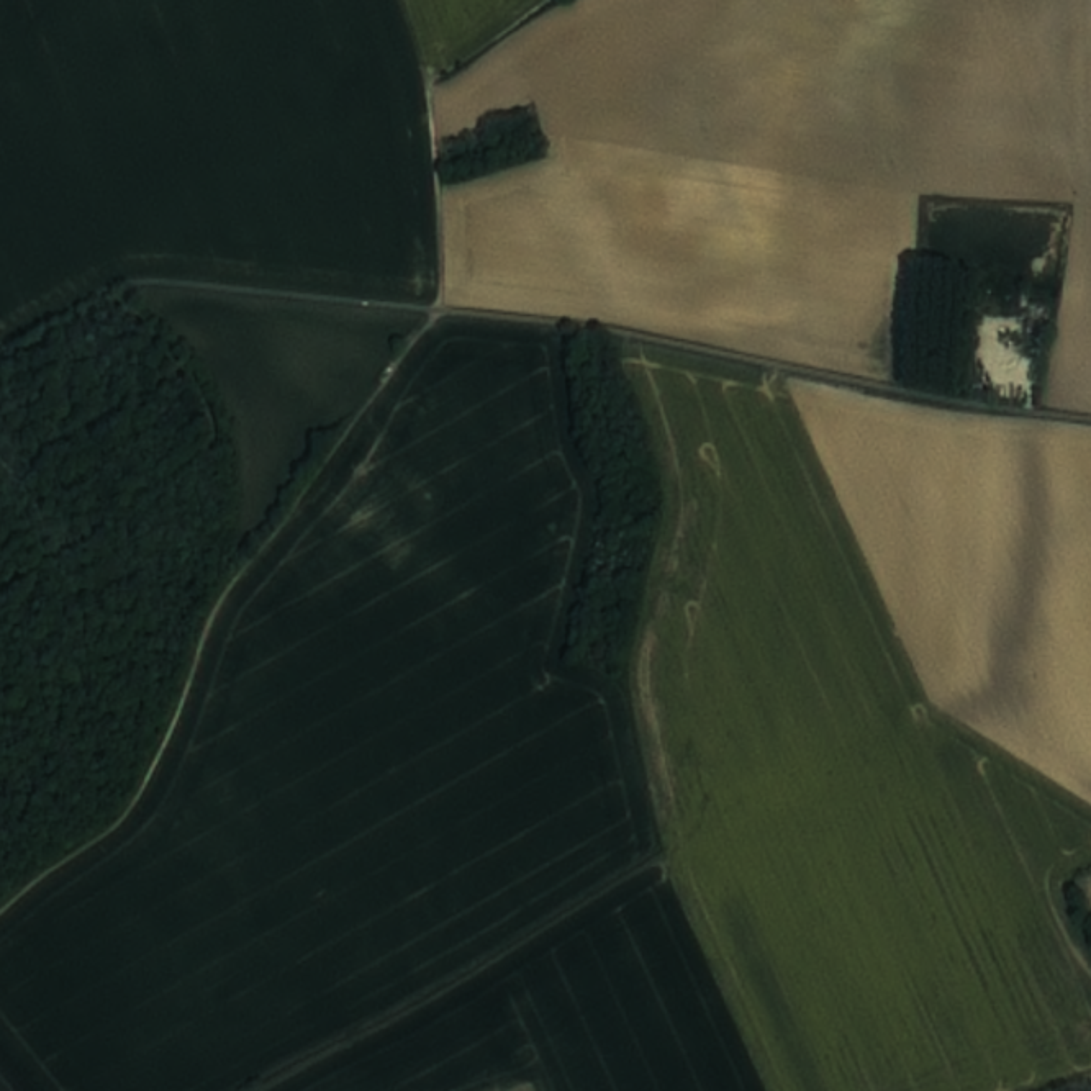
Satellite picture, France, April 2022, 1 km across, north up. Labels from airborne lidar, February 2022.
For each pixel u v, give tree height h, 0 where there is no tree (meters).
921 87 0
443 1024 0
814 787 0
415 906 0
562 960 0
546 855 0
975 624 0
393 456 0
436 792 0
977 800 0
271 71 0
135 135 0
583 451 18
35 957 0
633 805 0
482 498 0
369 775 0
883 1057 0
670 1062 0
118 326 22
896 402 0
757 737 0
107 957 0
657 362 0
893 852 0
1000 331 0
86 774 17
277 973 0
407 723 0
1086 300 0
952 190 0
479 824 0
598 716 0
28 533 21
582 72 0
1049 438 0
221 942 0
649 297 0
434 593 0
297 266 0
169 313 0
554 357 0
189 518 18
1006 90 0
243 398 0
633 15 0
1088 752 0
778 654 0
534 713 0
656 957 0
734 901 0
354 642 0
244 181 0
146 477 21
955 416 0
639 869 0
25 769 17
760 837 0
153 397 15
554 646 0
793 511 0
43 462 23
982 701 0
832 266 0
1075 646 0
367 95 0
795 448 0
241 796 0
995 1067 0
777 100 0
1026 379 0
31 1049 0
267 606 0
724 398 0
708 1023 0
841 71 0
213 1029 0
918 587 0
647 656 0
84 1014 0
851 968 0
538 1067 0
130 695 26
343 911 0
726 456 0
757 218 0
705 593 0
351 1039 0
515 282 0
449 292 0
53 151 0
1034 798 0
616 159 0
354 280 0
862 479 0
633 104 0
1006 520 0
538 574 0
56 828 21
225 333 0
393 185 0
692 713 0
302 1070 0
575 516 0
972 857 0
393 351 10
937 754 0
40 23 0
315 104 0
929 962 0
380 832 0
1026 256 0
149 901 0
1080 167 0
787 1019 0
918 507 0
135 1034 0
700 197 0
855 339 0
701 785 0
